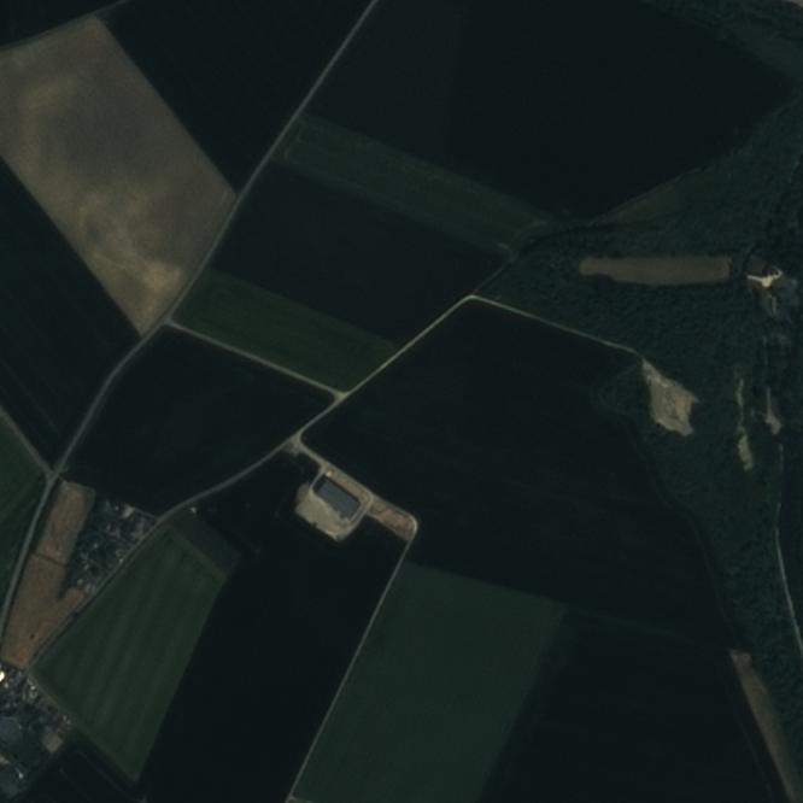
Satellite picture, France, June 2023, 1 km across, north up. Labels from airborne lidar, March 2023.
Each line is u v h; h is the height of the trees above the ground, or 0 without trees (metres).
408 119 0
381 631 0
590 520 0
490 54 0
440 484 0
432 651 0
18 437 0
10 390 0
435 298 0
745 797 0
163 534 0
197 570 0
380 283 0
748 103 0
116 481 0
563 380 0
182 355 0
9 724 0
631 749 0
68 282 0
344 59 0
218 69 0
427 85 0
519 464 0
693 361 6
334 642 0
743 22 11
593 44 0
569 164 0
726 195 8
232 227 0
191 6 0
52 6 0
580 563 0
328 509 0
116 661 0
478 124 0
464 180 0
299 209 0
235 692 0
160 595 0
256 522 0
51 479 0
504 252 0
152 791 0
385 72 0
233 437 0
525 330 0
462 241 0
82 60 0
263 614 0
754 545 7
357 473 0
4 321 0
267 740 0
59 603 0
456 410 0
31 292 0
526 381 0
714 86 0
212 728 0
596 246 13
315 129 0
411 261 0
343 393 0
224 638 0
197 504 0
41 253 0
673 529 0
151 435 0
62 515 0
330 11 0
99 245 0
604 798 0
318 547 0
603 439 0
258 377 0
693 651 0
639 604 0
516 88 0
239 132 0
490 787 0
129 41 0
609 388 13
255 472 0
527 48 0
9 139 0
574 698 0
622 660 0
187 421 0
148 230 0
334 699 0
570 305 7
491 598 0
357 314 0
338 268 0
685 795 0
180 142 0
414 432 0
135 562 0
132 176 0
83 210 0
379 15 0
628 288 11
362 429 0
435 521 0
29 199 0
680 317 11
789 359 24
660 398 0
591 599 0
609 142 0
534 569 0
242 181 0
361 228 0
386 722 0
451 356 0
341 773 0
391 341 0
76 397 0
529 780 0
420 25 0
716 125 0
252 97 0
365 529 0
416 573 0
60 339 0
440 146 0
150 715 0
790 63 0
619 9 0
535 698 0
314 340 0
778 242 17
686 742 0
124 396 0
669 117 0
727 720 0
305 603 0
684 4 7
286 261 0
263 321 0
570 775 0
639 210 0
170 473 0
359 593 0
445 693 0
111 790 0
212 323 0
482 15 0
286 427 0
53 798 0
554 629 0
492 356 0
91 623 0
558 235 11
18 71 0
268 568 0
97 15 0
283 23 0
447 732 0
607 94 0
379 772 0
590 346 0
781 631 16
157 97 0
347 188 0
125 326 0
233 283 0
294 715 0
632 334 7
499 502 0
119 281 0
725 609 0
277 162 0
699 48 0
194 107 0
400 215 0
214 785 0
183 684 0
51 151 0
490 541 0
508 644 0
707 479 6
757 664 15
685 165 0
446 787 0
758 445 9
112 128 0
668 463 11
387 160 0
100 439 0
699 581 0
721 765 0
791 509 33
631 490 0
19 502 0
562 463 0
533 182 0
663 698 0
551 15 0
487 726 0
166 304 0
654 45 0
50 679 0
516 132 0
